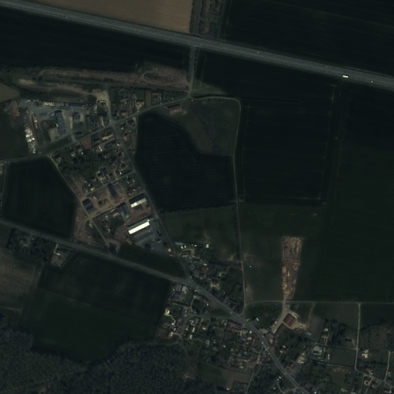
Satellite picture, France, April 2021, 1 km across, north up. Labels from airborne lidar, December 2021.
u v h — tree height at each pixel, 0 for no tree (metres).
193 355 17
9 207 0
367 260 0
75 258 0
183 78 0
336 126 0
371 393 0
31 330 0
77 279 0
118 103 0
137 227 0
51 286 0
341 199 0
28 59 0
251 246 0
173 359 14
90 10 0
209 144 0
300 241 0
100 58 0
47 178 0
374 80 0
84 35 0
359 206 0
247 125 0
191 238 0
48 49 0
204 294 0
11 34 0
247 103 0
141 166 0
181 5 0
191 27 11
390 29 0
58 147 0
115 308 0
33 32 0
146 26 0
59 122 0
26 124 0
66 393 24
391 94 0
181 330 0
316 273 0
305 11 0
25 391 25
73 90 0
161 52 0
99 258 0
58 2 0
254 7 0
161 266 0
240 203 0
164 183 0
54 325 0
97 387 27
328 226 0
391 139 0
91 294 0
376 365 9
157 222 8
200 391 30
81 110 0
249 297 0
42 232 0
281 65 0
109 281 0
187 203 0
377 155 0
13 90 0
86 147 0
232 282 0
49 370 33
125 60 0
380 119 0
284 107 0
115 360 33
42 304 0
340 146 0
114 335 0
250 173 0
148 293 0
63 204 0
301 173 0
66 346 0
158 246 0
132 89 7
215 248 0
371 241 0
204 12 9
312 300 0
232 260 0
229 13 0
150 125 0
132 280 0
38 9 0
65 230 0
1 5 0
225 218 0
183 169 0
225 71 0
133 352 22
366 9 0
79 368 29
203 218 0
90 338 0
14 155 0
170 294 0
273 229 0
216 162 0
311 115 0
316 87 0
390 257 0
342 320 0
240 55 0
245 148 0
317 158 0
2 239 0
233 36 0
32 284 0
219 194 0
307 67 0
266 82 0
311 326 0
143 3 0
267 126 0
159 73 0
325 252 0
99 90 0
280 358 0
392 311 0
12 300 0
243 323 0
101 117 0
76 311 0
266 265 0
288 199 0
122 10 0
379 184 0
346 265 0
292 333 0
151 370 23
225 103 0
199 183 0
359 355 0
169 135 0
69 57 0
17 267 0
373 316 0
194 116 0
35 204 0
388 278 0
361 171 0
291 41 0
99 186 0
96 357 0
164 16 0
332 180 0
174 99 0
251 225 0
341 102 0
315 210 0
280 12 0
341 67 0
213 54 0
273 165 0
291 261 0
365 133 0
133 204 0
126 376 33
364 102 0
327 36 0
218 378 0
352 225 0
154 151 0
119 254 0
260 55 0
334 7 0
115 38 0
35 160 0
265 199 0
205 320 0
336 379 0
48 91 0
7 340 25
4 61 0
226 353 0
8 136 0
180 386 22
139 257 0
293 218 0
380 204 0
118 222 0
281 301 0
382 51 0
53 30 0
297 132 0
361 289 0
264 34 0
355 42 0
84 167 6
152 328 0
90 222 0
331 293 0
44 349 0
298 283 0
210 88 0
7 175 0
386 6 0
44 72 0
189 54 11
